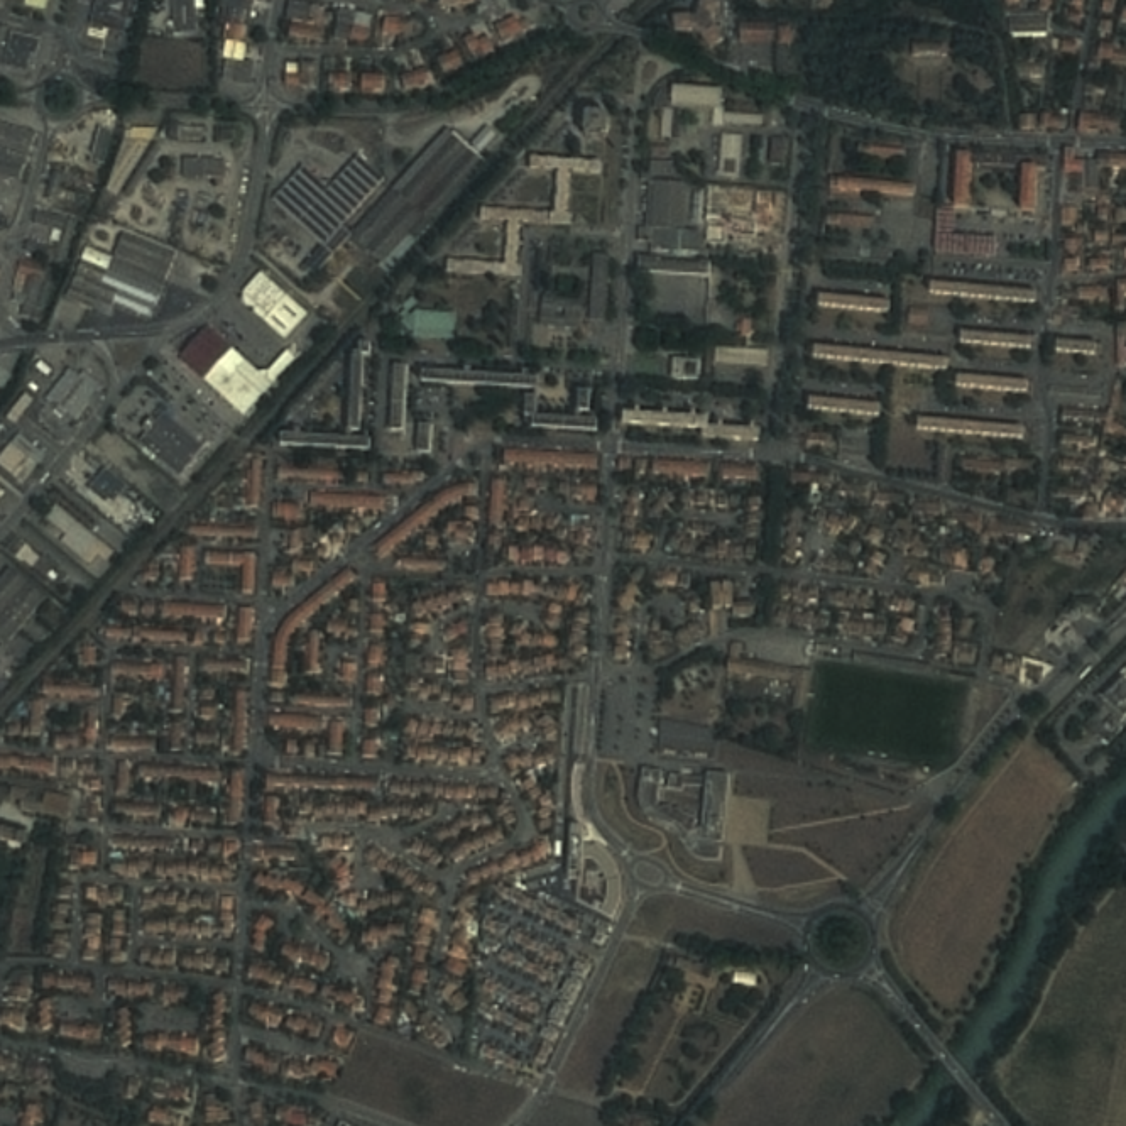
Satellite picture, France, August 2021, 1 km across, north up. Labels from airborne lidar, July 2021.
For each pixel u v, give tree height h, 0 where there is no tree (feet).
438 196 0
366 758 0
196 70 0
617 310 26
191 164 0
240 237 0
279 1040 0
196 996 39
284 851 0
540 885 0
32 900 0
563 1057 0
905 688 0
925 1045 28
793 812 0
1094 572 0
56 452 0
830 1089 0
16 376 26
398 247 0
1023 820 0
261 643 0
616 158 0
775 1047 0
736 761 0
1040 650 0
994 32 20
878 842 0
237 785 0
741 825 0
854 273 31
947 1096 51
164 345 0
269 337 0
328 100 44
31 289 0
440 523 24
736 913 0
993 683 0
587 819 0
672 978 52
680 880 0
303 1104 27
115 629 0
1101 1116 0
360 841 0
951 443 30
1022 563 0
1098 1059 0
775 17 19
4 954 42
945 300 0
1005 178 36
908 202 0
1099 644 57
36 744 22
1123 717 0
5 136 0
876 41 51
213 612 0
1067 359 0
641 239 0
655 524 20
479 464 30
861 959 0
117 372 0
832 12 19
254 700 0
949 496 0
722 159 0
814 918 0
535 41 65
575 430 0
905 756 0
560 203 0
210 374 0
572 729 0
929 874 0
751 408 49
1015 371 0
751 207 0
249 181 0
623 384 60
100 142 0
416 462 22
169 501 0
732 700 27
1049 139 0
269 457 0
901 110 32
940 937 0
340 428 28
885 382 34
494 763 0
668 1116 27
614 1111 51
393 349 54
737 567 0
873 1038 0
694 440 29
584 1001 0
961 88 36
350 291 0
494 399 40
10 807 0
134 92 56
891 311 36
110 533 0
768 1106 0
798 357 32
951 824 65
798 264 50
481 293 0
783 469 30
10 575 0
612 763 0
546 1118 0
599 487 24
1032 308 44
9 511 0
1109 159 0
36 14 18
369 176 0
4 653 0
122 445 0
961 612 29
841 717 0
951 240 0
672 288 0
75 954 0
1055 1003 0
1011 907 24
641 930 0
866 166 48
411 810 0
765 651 0
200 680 19
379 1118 0
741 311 20
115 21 0
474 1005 19
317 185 0
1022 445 42
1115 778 38
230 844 0
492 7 0
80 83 0
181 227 0
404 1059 0
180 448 0
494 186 54
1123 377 21
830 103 40
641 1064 43
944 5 34
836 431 32
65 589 28
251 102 0
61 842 31
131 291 0
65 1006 0
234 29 0
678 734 0
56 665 32
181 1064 27
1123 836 30
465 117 0
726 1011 30
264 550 0
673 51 59
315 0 0
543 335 0
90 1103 18
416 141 0
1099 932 0
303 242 0
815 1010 0
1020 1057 0
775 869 0
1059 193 0
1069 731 37
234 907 0
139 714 18
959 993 0
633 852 0
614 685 0
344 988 28
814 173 45
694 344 52
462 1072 0
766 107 49
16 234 0
